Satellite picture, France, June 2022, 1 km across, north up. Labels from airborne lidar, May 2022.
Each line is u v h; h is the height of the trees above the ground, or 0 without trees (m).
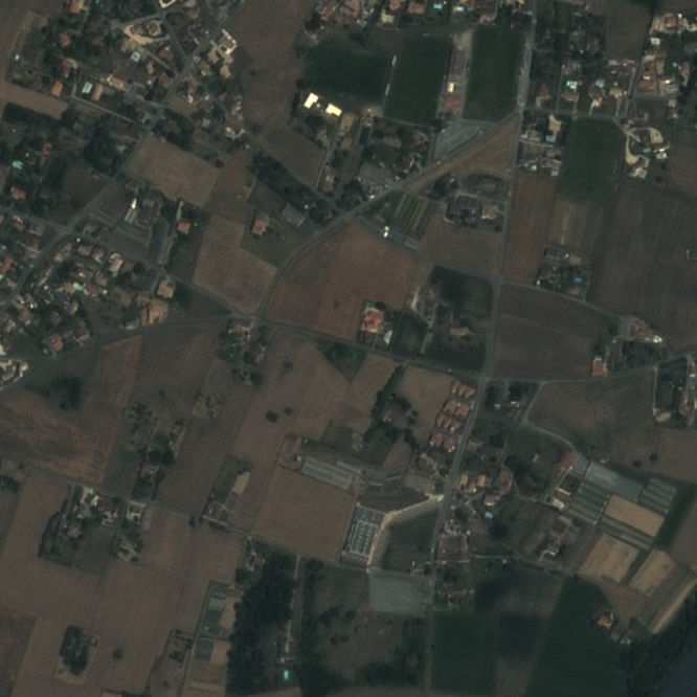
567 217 0
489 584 0
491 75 0
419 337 0
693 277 0
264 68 0
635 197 0
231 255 0
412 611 0
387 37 0
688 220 0
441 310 9
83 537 10
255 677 6
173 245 0
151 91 7
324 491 0
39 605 0
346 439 0
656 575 0
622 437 0
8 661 0
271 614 7
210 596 0
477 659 0
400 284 0
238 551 0
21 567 0
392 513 0
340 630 0
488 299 0
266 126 0
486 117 0
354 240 0
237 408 0
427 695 0
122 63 0
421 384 0
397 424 0
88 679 0
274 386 0
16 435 0
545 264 0
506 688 0
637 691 20
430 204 0
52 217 0
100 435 0
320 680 8
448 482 0
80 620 0
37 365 0
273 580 10
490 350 0
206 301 0
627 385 0
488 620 0
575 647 0
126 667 0
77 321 0
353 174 0
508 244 0
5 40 0
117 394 0
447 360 0
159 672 0
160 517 0
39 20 0
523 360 0
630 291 0
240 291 0
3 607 0
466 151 0
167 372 0
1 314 0
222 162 7
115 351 0
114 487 0
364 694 0
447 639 0
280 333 0
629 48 0
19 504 0
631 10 0
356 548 0
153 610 0
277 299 0
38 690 0
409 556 0
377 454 0
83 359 0
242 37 0
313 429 0
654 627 0
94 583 0
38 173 12
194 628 0
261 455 0
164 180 0
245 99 0
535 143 0
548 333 0
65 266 7
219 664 0
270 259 0
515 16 7
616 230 0
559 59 7
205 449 0
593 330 0
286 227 0
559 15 6
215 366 0
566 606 0
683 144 0
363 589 0
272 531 0
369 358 0
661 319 0
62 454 0
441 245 0
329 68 0
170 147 0
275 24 0
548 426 0
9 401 0
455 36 0
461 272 0
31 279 6
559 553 5
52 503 0
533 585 0
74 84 0
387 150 0
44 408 0
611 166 0
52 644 0
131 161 0
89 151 15
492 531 9
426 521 0
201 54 8
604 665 0
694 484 0
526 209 0
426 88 0
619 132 0
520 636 0
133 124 11
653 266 0
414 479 0
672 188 0
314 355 0
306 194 8
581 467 0
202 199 0
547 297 0
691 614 18
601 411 0
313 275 0
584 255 0
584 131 0
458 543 0
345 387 0
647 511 0
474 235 0
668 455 0
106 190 0
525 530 0
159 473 8
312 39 0
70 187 0
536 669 0
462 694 0
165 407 0
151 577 0
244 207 0
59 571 0
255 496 0
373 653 0
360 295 0
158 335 0
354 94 0
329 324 0
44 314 8
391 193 0
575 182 0
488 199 0
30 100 0
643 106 0
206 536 0
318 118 9
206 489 0
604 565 0
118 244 0
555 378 0
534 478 6
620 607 0
